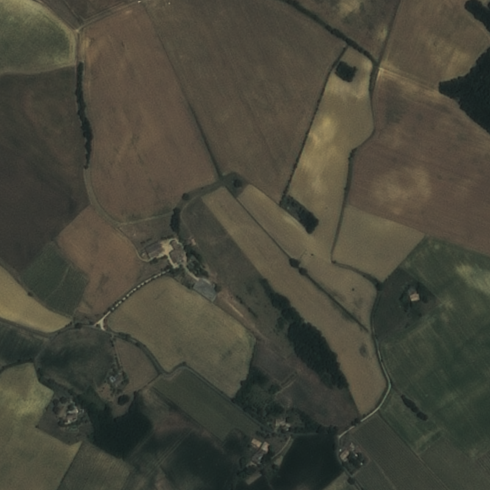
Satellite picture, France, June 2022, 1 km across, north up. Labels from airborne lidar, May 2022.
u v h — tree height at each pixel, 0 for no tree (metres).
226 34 0
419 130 0
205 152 0
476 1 15
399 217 0
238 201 0
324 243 0
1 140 0
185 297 0
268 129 0
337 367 17
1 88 0
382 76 0
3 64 0
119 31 0
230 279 0
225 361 0
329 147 0
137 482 0
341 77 10
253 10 0
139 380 0
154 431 0
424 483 0
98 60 0
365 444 0
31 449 0
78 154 0
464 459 0
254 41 0
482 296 0
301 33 0
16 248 0
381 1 0
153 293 0
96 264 0
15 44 0
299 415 7
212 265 0
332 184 0
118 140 0
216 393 0
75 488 0
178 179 0
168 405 0
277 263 0
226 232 0
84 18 0
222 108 0
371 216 0
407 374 0
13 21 0
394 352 0
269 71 0
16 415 0
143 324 0
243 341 0
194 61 0
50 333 0
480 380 0
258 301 0
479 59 10
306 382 0
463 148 0
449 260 0
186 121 0
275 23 0
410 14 0
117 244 0
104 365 0
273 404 6
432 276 0
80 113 13
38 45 0
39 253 0
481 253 0
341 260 0
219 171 0
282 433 12
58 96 0
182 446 0
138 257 0
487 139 0
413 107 0
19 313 0
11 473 0
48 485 0
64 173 0
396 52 0
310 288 0
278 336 0
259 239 0
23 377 0
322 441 0
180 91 0
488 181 0
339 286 0
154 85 0
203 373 0
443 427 0
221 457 0
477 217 0
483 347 0
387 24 0
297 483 0
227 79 0
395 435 0
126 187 0
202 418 0
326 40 0
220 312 0
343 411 0
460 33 0
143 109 0
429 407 0
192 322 0
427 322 0
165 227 0
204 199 0
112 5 0
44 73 0
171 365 0
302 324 11
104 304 0
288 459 0
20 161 0
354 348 0
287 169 0
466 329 0
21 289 0
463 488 0
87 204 0
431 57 0
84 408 7
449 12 0
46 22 0
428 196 0
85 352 0
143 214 0
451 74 0
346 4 0
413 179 0
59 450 0
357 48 14
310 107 0
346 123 0
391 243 0
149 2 0
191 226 0
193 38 0
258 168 0
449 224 0
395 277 0
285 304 19
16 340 0
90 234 0
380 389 0
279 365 0
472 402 0
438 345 0
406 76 0
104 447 13
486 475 0
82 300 0
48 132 0
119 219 0
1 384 0
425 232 0
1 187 0
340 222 0
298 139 0
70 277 0
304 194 0
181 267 8
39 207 0
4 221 0
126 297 8
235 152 0
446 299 0
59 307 0
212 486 0
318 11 0
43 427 0
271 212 0
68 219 0
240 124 0
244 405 8
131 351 0
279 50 0
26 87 0
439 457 0
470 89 15
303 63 0
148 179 0
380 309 0
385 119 0
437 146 0
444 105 0
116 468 0
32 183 0
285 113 0
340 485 0
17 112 0
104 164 0
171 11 0
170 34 0
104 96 0
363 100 0
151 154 0
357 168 0
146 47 0
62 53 0
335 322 0
